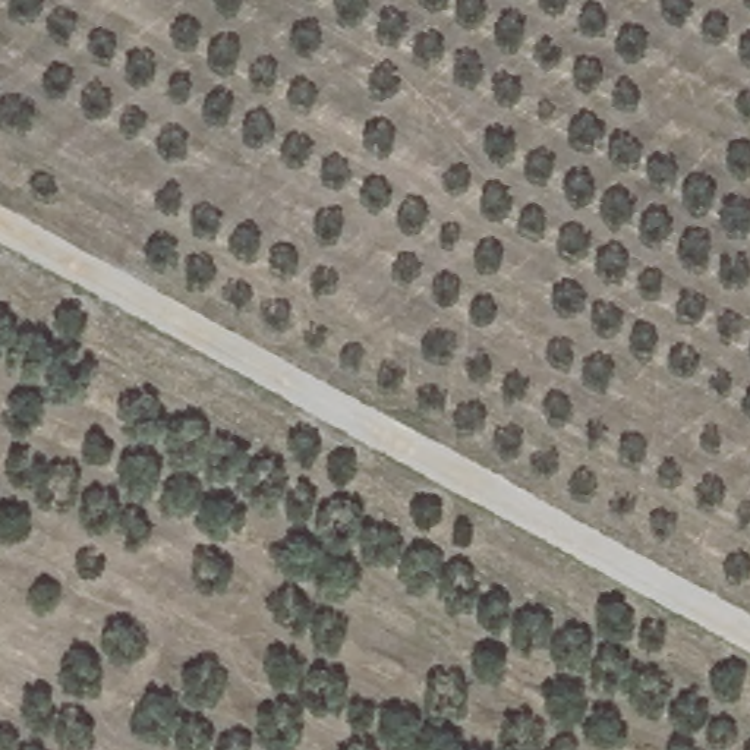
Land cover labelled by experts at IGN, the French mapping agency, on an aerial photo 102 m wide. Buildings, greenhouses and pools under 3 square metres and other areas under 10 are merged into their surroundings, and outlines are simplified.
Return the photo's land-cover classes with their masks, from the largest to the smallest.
<instances>
[{"label":"plowed land","instance_id":"1","mask_svg":"<svg viewBox=\"0 0 750 750\"><path fill-rule=\"evenodd\" d=\"M589 0H486L483 21L478 26H463L457 18V0H369L366 15L357 23L343 26L334 3L328 9H316V0H0V91L23 94L35 103V117L29 129L0 126V205L29 217L32 223L50 229L53 234L64 237L82 252H91L138 275L158 293L188 305L190 311H199L226 331H234L249 343L290 360L302 372H311L313 378L357 398L360 404L393 416L401 407H413L419 401V387L437 384L445 393V401L442 407H434L428 413L431 419L419 431L422 437L454 448L457 454L480 463L483 469L504 475L510 483L563 510L574 521L595 527L598 533L653 560L671 574L686 577L688 583L750 612V574L744 580H729L724 571V557L732 551L750 554V278L738 287L724 284L721 255L747 252L750 261V231H727L721 223V205L727 193L750 196V176H735L729 170L727 146L735 138L750 141V0H691L686 23H671L662 15L659 0H598L606 12V26L598 35H586L580 29V9ZM62 6L79 15L67 44H59L47 29L50 15ZM387 6L407 12V29L401 38L410 44L419 32H442V56L431 64H419L413 59V50L401 53L398 44H384L378 38V15ZM501 9H519L524 15V38L516 53L501 47L495 38ZM712 9H721L729 21L724 41H712L700 29L706 12ZM176 15H193L199 21V38L193 50L176 47L170 32ZM299 18H316L322 29V44L311 56H299L290 44V26ZM624 23H642L647 29V50L636 62L621 56L615 47L618 29ZM94 26H105L117 35L111 59H97L91 53L88 35ZM217 32L240 35L237 64L246 70L258 56H275V79L287 85L293 82V76L313 79L319 91L316 105L299 108L290 105L287 97L275 100L270 94L272 88H255L249 76L237 79L234 73H217L208 62V41ZM542 35H551V41L560 47L563 59L557 64H542L536 59V44ZM135 47H146L155 53V76L146 85H132L126 76V56ZM463 47H472L480 56L483 73L478 85H460L454 79V56ZM583 53L604 59V79L592 91H580L574 85V59ZM53 62H64L73 67V82L62 97H50L44 91V70ZM381 62H393L398 67L401 85L393 97H384L369 88V76ZM176 70L190 73V94L185 103H176L167 91L170 73ZM498 73L521 76V97L513 105L498 103L492 94V79ZM621 76H630L639 85L636 108H618L612 100L615 82ZM94 79L111 88V108L103 117H91L82 108V91ZM211 88H229L234 94L229 120L223 126H214L202 114V103ZM132 105L146 111V126L138 135H126L120 129V117ZM258 105L270 108L275 132L267 144L249 146L243 141V117L249 108ZM580 108L595 111L606 126L633 132L642 141L639 155L647 161L653 152L677 155V179L686 182V176L697 170L715 176L718 185L712 205L688 211L683 196L668 199L665 185L659 188L650 179H645L627 185V190L636 199L630 220L621 226H609L601 217V199L592 196L583 208L568 202L563 173L551 170L545 185H533L524 176L527 152L536 146H548L557 135H565L568 120ZM372 117H390L396 126V144L390 155H378V149H366L363 144V126ZM170 123L188 129L185 158H164L158 152V132ZM489 126H507L516 132V149L507 161H492L486 155L483 135ZM287 132H305L313 138V149L302 167H290L281 155ZM331 152L349 158L352 176L343 188H328L322 182V158ZM451 164L469 167L472 179L463 193H448L442 185V173ZM35 170L53 173V196H38L29 188V176ZM372 173L387 176L393 185L390 202L381 211H369L360 199L363 179ZM170 179L179 182L182 190L176 214L161 211L155 199L149 205H135L144 188L158 193V188ZM489 179L504 182L513 196L510 211L501 220H489L480 211V190ZM410 193H419L428 202V220L416 234L398 229V208ZM196 202H211L223 211L217 234L202 237L193 231L190 211ZM530 202L545 208L542 234L524 231L519 226V214ZM325 205L343 208V231L334 243H322L313 229V214ZM647 205H668L674 217L668 237L659 243H645L639 231ZM243 220H252L261 229L255 261L237 258L229 246L231 231ZM563 223H580L586 231H592L583 258L565 261L557 249ZM686 226H700L709 231L706 267H686L680 261L677 246ZM155 231H170L176 237V258L164 267H152L144 252L149 234ZM483 237H495L504 246V258L495 272H478L475 267V246ZM281 240L299 249V267L293 275H275L270 270V249ZM606 240H621L630 252V264L621 281H606L595 267L598 249ZM190 252H208L217 267L214 278L202 290H188ZM401 252H416L422 264L413 281H398L393 272V264ZM316 267L337 270V287L331 293H313L311 275ZM647 267L662 270V293L656 299H647L639 290V275ZM442 270L460 275V296L448 308L439 305L434 296V278ZM563 278H577L589 296L618 305L624 311L618 331L598 334L592 325V305L586 302L577 313H557L551 293L554 284ZM234 281L252 284V299L243 308H234L226 299V287ZM686 287L706 296V311L697 322L677 313V299ZM478 293H489L498 302V313L489 325H478L469 313L472 299ZM267 299H290V325L284 331H272L261 319V305ZM727 308L741 313V331L729 343L718 334V316ZM639 319L656 328L653 352L630 349V334ZM437 328L457 334V346L448 363H434L422 352V337ZM554 337L571 340L568 369H557L548 360V340ZM674 343H688L694 346V352H700V366L691 375H680L668 366V352ZM592 352H604L615 360V372L606 390H595L583 381V360ZM478 354H489V360H492V369H489V378H486V381H472V378H469V369H466V363H469V357H478ZM384 360L398 366L404 375L396 390H381L378 384V369ZM507 372H521L527 378L530 387L524 398H504L501 387ZM551 390H563L571 401V416L565 425L551 422L542 407L545 393ZM472 398H480L486 404V419L475 434L457 431L454 410L460 401ZM504 425L521 428V448L516 457H504L495 448V428ZM624 431H639L647 439L645 460L636 466H627V460L618 454V439ZM548 448H557L560 463L557 472L539 475L533 472L530 457ZM665 457H674L680 466L683 478L677 486L659 483L656 472ZM577 466L592 469L598 483L595 492L583 501H577L568 489L571 472ZM703 475H718L724 480L727 492L718 507L697 504L694 492ZM656 507H668L677 513V524L665 539L653 536L650 530V510ZM79 302L88 313V325L79 349L67 354L70 363H79L88 352H94L97 357V369L88 381V390H82L64 404H44L41 422L29 431V448H35L44 457H76L82 466L79 478H50L53 498L44 510L32 489L12 483L6 475L12 431L6 428L3 413L12 387L21 384V369H6V349H0V495L23 501L32 516V530L26 539L15 545H6L0 539V721L15 724L21 738L29 741L32 727L21 712L23 686L44 680L50 683L56 706L79 703L94 715L91 750H176L167 744H155L149 738H138L129 729L132 709L149 683L170 686L173 691L182 688L185 659L202 650L217 653L220 662L229 668L223 697L217 703H205L202 712L214 724L208 750H217L223 729L255 727L258 703L272 697V683L264 668L267 647L272 642L293 645L305 659H313L311 630L293 633L290 627H281L267 606V595L281 583V571L275 568L270 545L290 530L287 504L275 501V510L267 516H261L258 507L249 510L243 516L240 530L226 536L223 551L231 554L234 568L226 592L214 595H202L190 580L193 548L205 545L208 533L196 527L193 516L161 513V489H152L149 501L135 516H149L152 521V536L141 548L129 551L123 533L111 527L105 533H88L79 524L82 489L88 483H111L117 478L120 454L126 448V431L117 410V398L123 390L138 384H155L167 410H205L211 425L234 431L243 439H249L252 454H258L261 448L278 451L284 457L290 489L299 486V478H311L322 498L331 495L334 483L328 478V457L334 448H354L357 466L354 478L349 480V492H357L363 498L366 513L372 519L393 521L410 542L431 539L442 548L445 557H469L475 563L478 589L489 592L492 586H504L510 592L513 609L524 604H545L554 615L551 621L563 627L568 618H580L589 624L598 618V604L618 606L627 598V604L633 606L627 650L639 662H659L671 680V688L683 691L686 686H697L700 697H706L709 703V712H727L735 718L738 729L729 744H709L706 729H697L694 744L700 750H750V653L744 656L747 671L741 694L738 700H724L712 688L709 671L718 659L741 656V650L732 642L721 639L718 633L700 627L697 621L680 612L665 609L653 598L621 589L604 571L527 533L504 516H495L492 510L451 489H442L437 480L398 463L396 457L352 439L343 428L328 422L313 425L322 439L319 451L311 466H299L287 442V431L302 422L311 425L313 419L284 396L261 387L237 369L223 366L205 352L155 328L152 322L120 311L94 290H85L82 284L35 264L23 252L0 243V302H9V308L21 319L44 325L56 322L59 302ZM91 425H100L114 442L103 466L88 463V457L82 454V442ZM419 492H434L442 498V513L434 527H416L413 521L410 501ZM79 548H94L105 557V568L100 577H79ZM38 574H50L62 583V598L50 612H35L26 601L29 586ZM114 612L135 615L146 630V653L132 665H117L108 647L100 642L103 624ZM642 618H665V642L659 650L642 645ZM73 642H88L100 656V697L64 691L59 668L64 650ZM349 627L340 645V665L349 674V691L369 700L398 697L419 703L425 697L428 668L460 665L469 680V703L460 724L466 738H480L489 744L498 741L504 709L516 706H530L545 721L548 741L557 735V721L542 697V683L554 677V659L548 650L507 656L501 642L483 639L486 627L478 621L475 612L448 615L437 586H428L422 595H410L398 577V565H372L360 574L357 589L343 601ZM472 650L498 659L504 665V680L480 683L472 665ZM612 703L627 721V738L624 747L609 750H665L671 735V715L659 712L656 718H645L636 712L624 691H615ZM305 727L296 750H337L343 738L352 735L349 718L302 712Z\"/></svg>","mask_w":750,"mask_h":750},{"label":"deciduous trees","instance_id":"2","mask_svg":"<svg viewBox=\"0 0 750 750\"><path fill-rule=\"evenodd\" d=\"M334 3L343 26L357 23L366 15L369 0H316V9H328ZM486 0H457V18L463 26H478L483 21ZM606 26V12L598 0H589L580 9V29L586 35H598ZM662 15L671 23H686L691 0H659ZM79 15L62 6L50 15L47 29L59 44H67ZM407 29V12L387 6L378 15V38L384 44H398L401 53L413 50V59L419 64H431L442 56V32H419L410 44L401 38ZM495 38L501 47L516 53L524 38V15L519 9H501ZM729 21L721 9H712L706 12L700 29L712 41H724ZM170 32L176 47L193 50L199 38V21L193 15H176ZM290 44L299 56H311L322 44V29L316 18H299L290 26ZM615 47L621 56L636 62L647 50V29L642 23H624L618 29ZM91 53L97 59H111L117 35L105 26H94L88 35ZM240 35L217 32L208 41V62L217 73H234L237 79L249 76L255 88H272L270 94L275 100L287 97L290 105L299 108L316 105L319 91L313 79L293 76V82L287 85L275 79V56H258L246 70L237 64ZM536 59L542 64H557L563 59L560 47L551 41V35H542L536 44ZM126 76L132 85H146L155 76V53L146 47H135L126 56ZM483 73L480 56L472 47H463L454 56V79L460 85H478ZM604 79V59L583 53L574 59V85L580 91H592ZM73 82V67L64 62H53L44 70V91L50 97H62ZM401 85L398 67L393 62H381L369 76V88L384 97H393ZM167 91L176 103H185L190 94V73L176 70L170 73ZM492 94L498 103L513 105L521 97V76L498 73L492 79ZM612 100L618 108H636L639 85L630 76H621L615 82ZM82 108L91 117H103L111 108V88L94 79L82 91ZM234 94L229 88H211L202 103V114L214 126H223L229 120ZM35 117V103L23 94L0 91V126L29 129ZM146 126V111L132 105L120 117V129L126 135H138ZM275 132L270 108L258 105L249 108L243 117V141L249 146L267 144ZM642 141L633 132L606 126L595 111L580 108L568 120L565 135H557L548 146H536L527 152L524 176L533 185H545L551 170L563 173L568 202L583 208L592 196L601 199V217L609 226H621L630 220L636 199L627 190V185L645 179H650L659 188L665 185L668 199L683 196L688 211L712 205L718 185L715 176L697 170L686 176V182L677 179V155L653 152L647 161L639 155ZM363 144L366 149H378V155H390L396 144V126L390 117H372L363 126ZM158 152L164 158H185L188 129L170 123L158 132ZM486 155L492 161H507L516 149V132L507 126H489L483 135ZM313 149V138L305 132H287L281 155L290 167H302ZM729 170L735 176H750V141L735 138L727 146ZM352 176L349 158L331 152L322 158V182L328 188H343ZM472 179L469 167L451 164L442 173V185L448 193H463ZM29 188L38 196H53V173L35 170L29 176ZM393 185L387 176L372 173L363 179L360 199L369 211H381L390 202ZM155 199L161 211L176 214L182 190L179 182L170 179L158 188V193L144 188L135 205H149ZM513 196L504 182L489 179L480 190V211L489 220H501L510 211ZM428 220V202L419 193H410L398 208V229L416 234ZM721 223L727 231H750V196L727 193L721 205ZM223 211L211 202H196L190 211L193 231L202 237L217 234ZM519 226L524 231L542 234L545 208L530 202L519 214ZM313 229L322 243H334L343 231V208L325 205L313 214ZM674 217L668 205H647L639 231L645 243H659L668 237ZM261 229L252 220H243L231 231L229 246L237 258L255 261ZM592 231H586L580 223H563L557 249L565 261L583 258ZM680 261L686 267H706L709 231L700 226H686L677 246ZM144 252L152 267H164L176 258V237L170 231H155L149 234ZM504 258V246L495 237H483L475 246V267L478 272H495ZM299 267V249L281 240L270 249V270L275 275H293ZM630 264V252L621 240H606L598 249L595 267L606 281H621ZM217 267L208 252H190L188 290H202L214 278ZM422 264L416 252H401L393 264V272L398 281H413ZM750 278V261L747 252L721 255L724 284L738 287ZM313 293H331L337 287V270L316 267L311 275ZM639 290L647 299H656L662 293V270L647 267L639 275ZM434 296L439 305L448 308L460 296V275L442 270L434 278ZM557 313H577L586 302L592 305V325L598 334L618 331L624 311L618 305L589 296L577 278H563L554 284L551 293ZM226 299L234 308H243L252 299V284L234 281L226 287ZM706 311V296L686 287L677 299V313L697 322ZM469 313L478 325H489L498 313V302L489 293H478L472 299ZM88 325V313L79 302H59L56 322L44 325L21 319L9 308V302H0V349H6V369H21V384L12 387L3 413L6 428L12 431L6 475L12 483L32 489L44 510L53 498L50 478H79L82 466L76 457H44L35 448H29V431L41 422L44 404H64L82 390H88V381L97 369V357L94 352H88L79 363H70L67 354L79 349ZM261 319L272 331H284L290 325V299H267L261 305ZM741 331V313L727 308L718 316V334L729 343ZM630 349L653 352L656 328L639 319L630 334ZM457 346V334L437 328L422 337V352L434 363H448ZM548 360L557 369H568L571 340L554 337L548 340ZM668 366L680 375H691L700 366V352H694V346L688 343H674L668 352ZM615 372V360L604 352H592L583 360V381L595 390H606ZM466 369H469V378H472V381H486V378H489V369H492V360H489V354H478V357H469V363H466ZM404 375L398 366L384 360L378 369V384L381 390H396ZM530 387L527 378L521 372H507L501 387L504 398H524ZM117 410L126 431V448L120 454L117 478L111 483H88L82 489L79 524L88 533H105L111 527L123 533L129 551L141 548L152 536V521L149 516H135L149 501L152 489H161V513L193 516L196 527L208 533L205 545L193 548L190 580L202 595H214L226 592L234 568L231 554L223 551L226 536L240 530L243 516L249 510L258 507L261 516H267L275 510V501L287 504L290 530L270 545L275 568L281 571V583L267 595V606L281 627H290L293 633L311 630L313 659H305L293 645L272 642L267 647L264 668L272 683V697L258 703L255 727L223 729L217 750H296L305 727L302 712L349 718L352 735L343 738L337 750H609L624 747L627 738V721L612 703L615 691H624L636 712L645 718H656L659 712L671 715V735L665 750H700L694 744L697 729H706L709 744H729L738 729L735 718L727 712H709V703L706 697H700L697 686H686L683 691L671 688V680L659 662H639L627 650L633 606L627 604V598L618 606L598 604V618L589 624L580 618H568L563 627L551 621L554 615L545 604H524L513 609L510 592L504 586H492L489 592L478 589L475 563L469 557H445L442 548L431 539L410 542L393 521L372 519L366 513L363 498L357 492H349V480L354 478L357 466L354 448H334L328 457V478L334 483L331 495L322 498L311 478H299V486L290 489L284 457L278 451L261 448L258 454H252L249 439H243L234 431L211 425L205 410H167L155 384H138L123 390L117 398ZM372 565H398V577L410 595H422L428 586H437L448 615L475 612L478 621L486 627L483 639L501 642L507 656L548 650L554 659V677L542 683V697L557 721V735L548 741L545 721L530 706H516L504 709L498 741L489 744L480 738H466L460 724L469 703V680L460 665L428 668L425 697L419 703L398 697L369 700L349 691V674L340 665V645L349 627L343 601L357 589L360 574ZM419 401L413 407H401L393 416L407 428L419 431L431 419L428 413L434 407H442L445 401V393L437 384L419 387ZM542 407L551 422L565 425L571 416V401L563 390H551L545 393ZM486 419V404L480 398H472L460 401L454 410L457 431L475 434ZM287 442L299 466H311L319 451L322 439L313 425H311L302 422L287 431ZM114 442L100 425H91L82 442V454L88 457V463L103 466ZM495 448L504 457H516L521 448V428L504 425L495 428ZM647 439L639 431H624L618 439V454L627 460V466H636L645 460ZM560 463L557 448H548L530 457L533 472L539 475L557 472ZM659 483L677 486L683 478L680 466L674 457H665L656 472ZM598 483L592 469L577 466L571 472L568 489L577 501H583L595 492ZM727 492L724 480L718 475H703L694 492L697 504L718 507ZM413 521L416 527H434L442 513V498L434 492H419L410 501ZM32 530V516L23 501L0 495V539L6 545H15L26 539ZM677 524V513L668 507H656L650 510V530L653 536L665 539ZM105 568V557L94 548H79V577H100ZM724 571L729 580H744L750 574V554L732 551L724 557ZM62 598V583L50 574H38L29 586L26 601L35 612H50ZM100 642L108 647L117 665H132L146 653V630L135 615L114 612L103 624ZM665 642V618H642V645L659 650ZM64 691L100 697V656L88 642H73L64 650L59 668ZM182 688L173 691L170 686L149 683L132 709L129 729L138 738H149L155 744H167L176 750H208L214 724L202 712L205 703H217L223 697L229 668L220 662L217 653L202 650L185 659ZM472 665L480 683L504 680V665L498 659L472 650ZM747 671L744 656H741L718 659L709 671L712 688L724 700H738L741 694ZM21 712L32 727L29 741L21 738L15 724L0 721V750H91L94 715L79 703L56 706L50 683L44 680L23 686Z\"/></svg>","mask_w":750,"mask_h":750},{"label":"pervious surface","instance_id":"3","mask_svg":"<svg viewBox=\"0 0 750 750\"><path fill-rule=\"evenodd\" d=\"M0 243L23 252L35 264L82 284L85 290H94L120 311L152 322L155 328L205 352L223 366L237 369L261 387L284 396L313 419L311 425H313L328 422L343 428L352 439L396 457L398 463L437 480L442 489H451L492 510L495 516H504L527 533L604 571L621 589L653 598L665 609L680 612L697 621L700 627L718 633L721 639L732 642L741 650V656H744L750 653V612L688 583L686 577L671 574L653 560L598 533L595 527L574 521L563 510L510 483L504 475L483 469L480 463L457 454L454 448L422 437L419 431L407 428L393 416L360 404L357 398L313 378L311 372H302L290 360L249 343L234 331H226L199 311H190L188 305L158 293L138 275L91 252H82L64 237L53 234L50 229L32 223L29 217L0 205Z\"/></svg>","mask_w":750,"mask_h":750}]
</instances>
